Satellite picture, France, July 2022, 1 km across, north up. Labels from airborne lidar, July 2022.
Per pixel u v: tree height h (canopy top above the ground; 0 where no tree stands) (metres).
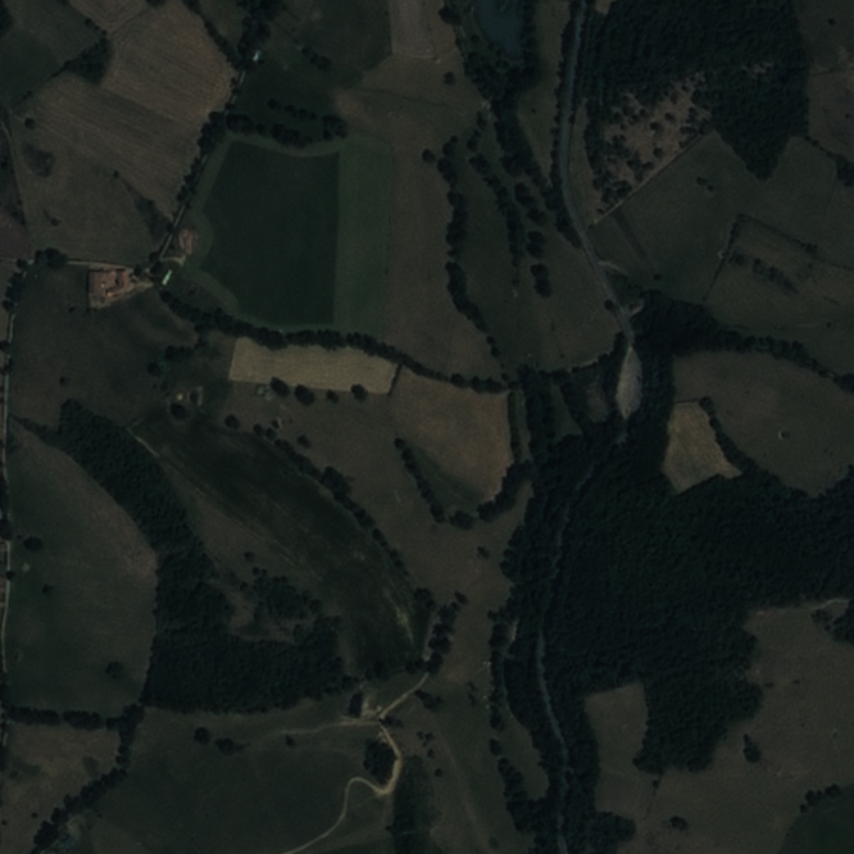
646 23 14
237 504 0
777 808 0
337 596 0
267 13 20
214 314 6
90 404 0
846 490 13
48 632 0
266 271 0
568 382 20
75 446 6
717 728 10
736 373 0
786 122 11
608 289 0
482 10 0
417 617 0
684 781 0
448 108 0
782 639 0
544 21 0
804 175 0
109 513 0
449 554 0
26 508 0
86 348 0
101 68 10
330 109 0
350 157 0
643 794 0
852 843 0
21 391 0
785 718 0
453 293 19
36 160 0
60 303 0
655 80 10
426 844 0
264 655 8
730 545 11
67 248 0
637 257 0
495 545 0
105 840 0
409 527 0
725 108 10
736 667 6
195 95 0
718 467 0
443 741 0
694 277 0
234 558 0
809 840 0
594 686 17
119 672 9
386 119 0
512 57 0
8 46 0
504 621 18
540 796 0
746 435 0
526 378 25
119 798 0
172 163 0
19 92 0
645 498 13
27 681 0
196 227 0
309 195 0
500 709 8
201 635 13
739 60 9
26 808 0
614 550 10
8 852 0
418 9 0
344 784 0
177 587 11
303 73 0
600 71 9
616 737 0
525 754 0
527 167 18
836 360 0
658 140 0
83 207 0
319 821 0
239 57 11
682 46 11
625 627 9
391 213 0
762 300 0
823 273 0
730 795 0
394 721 17
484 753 0
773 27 6
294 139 22
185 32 0
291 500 0
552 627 21
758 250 0
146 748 0
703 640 15
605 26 11
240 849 0
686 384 0
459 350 0
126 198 0
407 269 0
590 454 18
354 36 0
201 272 0
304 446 20
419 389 0
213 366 0
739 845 0
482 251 0
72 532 0
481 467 0
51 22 0
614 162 9
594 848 11
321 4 0
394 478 0
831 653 0
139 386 0
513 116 22
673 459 0
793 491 8
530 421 11
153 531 9
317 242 0
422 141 0
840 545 15
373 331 0
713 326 21
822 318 0
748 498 11
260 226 0
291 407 0
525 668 20
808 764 0
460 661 0
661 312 15
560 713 14
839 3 0
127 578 0
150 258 7
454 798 0
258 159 0
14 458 0
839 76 0
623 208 0
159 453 0
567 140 0
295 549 0
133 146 0
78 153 0
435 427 0
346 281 0
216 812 0
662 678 8
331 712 0
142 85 0
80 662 0
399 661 0
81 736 0
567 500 22
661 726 9
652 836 0
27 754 0
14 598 0
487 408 0
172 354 20
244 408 0
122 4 0
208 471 0
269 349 16
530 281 0
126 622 0
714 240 0
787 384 0
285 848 0
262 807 0
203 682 12
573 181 0
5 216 0
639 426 21
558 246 0
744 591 8
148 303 0
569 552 17
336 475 17
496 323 0
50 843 14
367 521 19
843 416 0
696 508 10
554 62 0
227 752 15
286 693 20
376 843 0
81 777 0
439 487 0
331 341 19
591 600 17
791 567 10
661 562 11
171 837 0
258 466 0
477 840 0
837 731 0
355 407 0
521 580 21
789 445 0
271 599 11
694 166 0
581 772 21
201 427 0
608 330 0
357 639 0
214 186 0
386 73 0
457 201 18
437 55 0
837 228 0
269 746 0
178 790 0
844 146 0
